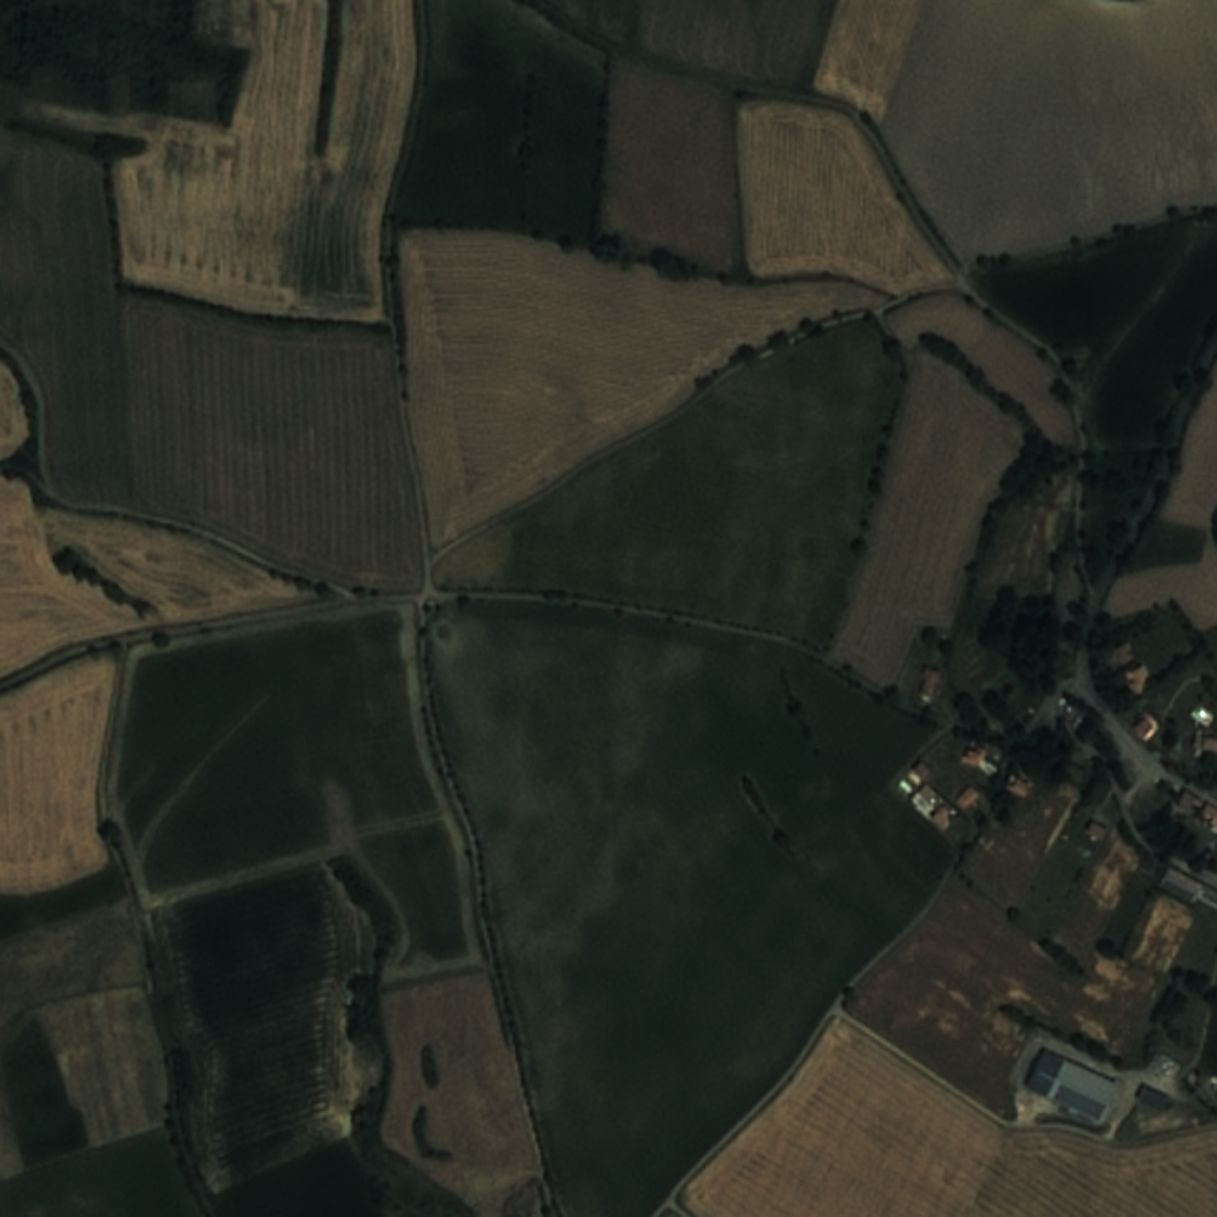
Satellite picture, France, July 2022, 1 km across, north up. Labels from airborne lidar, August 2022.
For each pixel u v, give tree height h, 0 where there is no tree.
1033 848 0
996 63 0
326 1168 0
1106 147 0
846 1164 0
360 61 0
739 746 0
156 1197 0
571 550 0
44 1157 0
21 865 0
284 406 0
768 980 0
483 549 0
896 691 12
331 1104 0
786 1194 0
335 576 0
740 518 0
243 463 0
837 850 0
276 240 0
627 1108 0
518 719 0
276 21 0
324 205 0
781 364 0
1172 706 0
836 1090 0
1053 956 9
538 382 0
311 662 0
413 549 0
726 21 0
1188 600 0
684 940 0
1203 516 0
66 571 10
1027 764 17
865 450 0
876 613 0
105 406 0
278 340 0
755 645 0
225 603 0
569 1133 0
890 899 0
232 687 0
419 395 0
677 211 0
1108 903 0
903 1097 0
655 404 0
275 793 0
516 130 0
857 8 0
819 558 0
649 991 0
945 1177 0
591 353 0
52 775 0
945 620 0
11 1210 0
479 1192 0
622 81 0
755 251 0
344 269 0
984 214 0
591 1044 0
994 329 0
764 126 0
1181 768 6
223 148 0
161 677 0
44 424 0
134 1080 0
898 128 0
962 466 0
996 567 0
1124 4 0
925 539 0
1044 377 0
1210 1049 0
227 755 0
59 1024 0
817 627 0
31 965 0
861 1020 0
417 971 0
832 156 0
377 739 0
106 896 0
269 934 0
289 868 0
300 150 0
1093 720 12
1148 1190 0
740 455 0
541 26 0
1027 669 18
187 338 0
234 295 0
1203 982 11
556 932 0
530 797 0
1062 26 0
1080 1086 0
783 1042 0
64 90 0
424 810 0
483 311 0
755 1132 0
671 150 0
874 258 0
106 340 0
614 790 0
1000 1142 0
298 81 0
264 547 0
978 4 0
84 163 0
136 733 0
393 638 0
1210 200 0
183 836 0
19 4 7
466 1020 0
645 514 0
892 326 0
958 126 0
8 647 0
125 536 0
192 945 0
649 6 0
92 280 0
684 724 0
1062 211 0
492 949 7
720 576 0
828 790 0
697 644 0
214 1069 0
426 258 0
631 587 0
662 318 0
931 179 0
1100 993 0
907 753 0
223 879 0
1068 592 0
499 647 0
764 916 0
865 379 0
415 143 0
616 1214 0
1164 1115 0
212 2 0
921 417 0
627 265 13
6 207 0
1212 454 0
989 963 0
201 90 0
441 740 7
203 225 0
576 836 0
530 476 0
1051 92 0
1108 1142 0
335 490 0
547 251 0
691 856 0
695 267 8
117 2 0
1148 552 0
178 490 0
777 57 0
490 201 0
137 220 0
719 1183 0
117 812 0
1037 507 0
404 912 0
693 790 0
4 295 0
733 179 0
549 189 0
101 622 0
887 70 0
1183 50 0
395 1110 0
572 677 0
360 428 0
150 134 0
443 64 0
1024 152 0
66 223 0
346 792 0
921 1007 0
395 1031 0
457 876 0
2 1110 0
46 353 0
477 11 0
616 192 0
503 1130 0
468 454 0
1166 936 0
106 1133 0
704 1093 0
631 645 0
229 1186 0
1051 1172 0
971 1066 0
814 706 0
